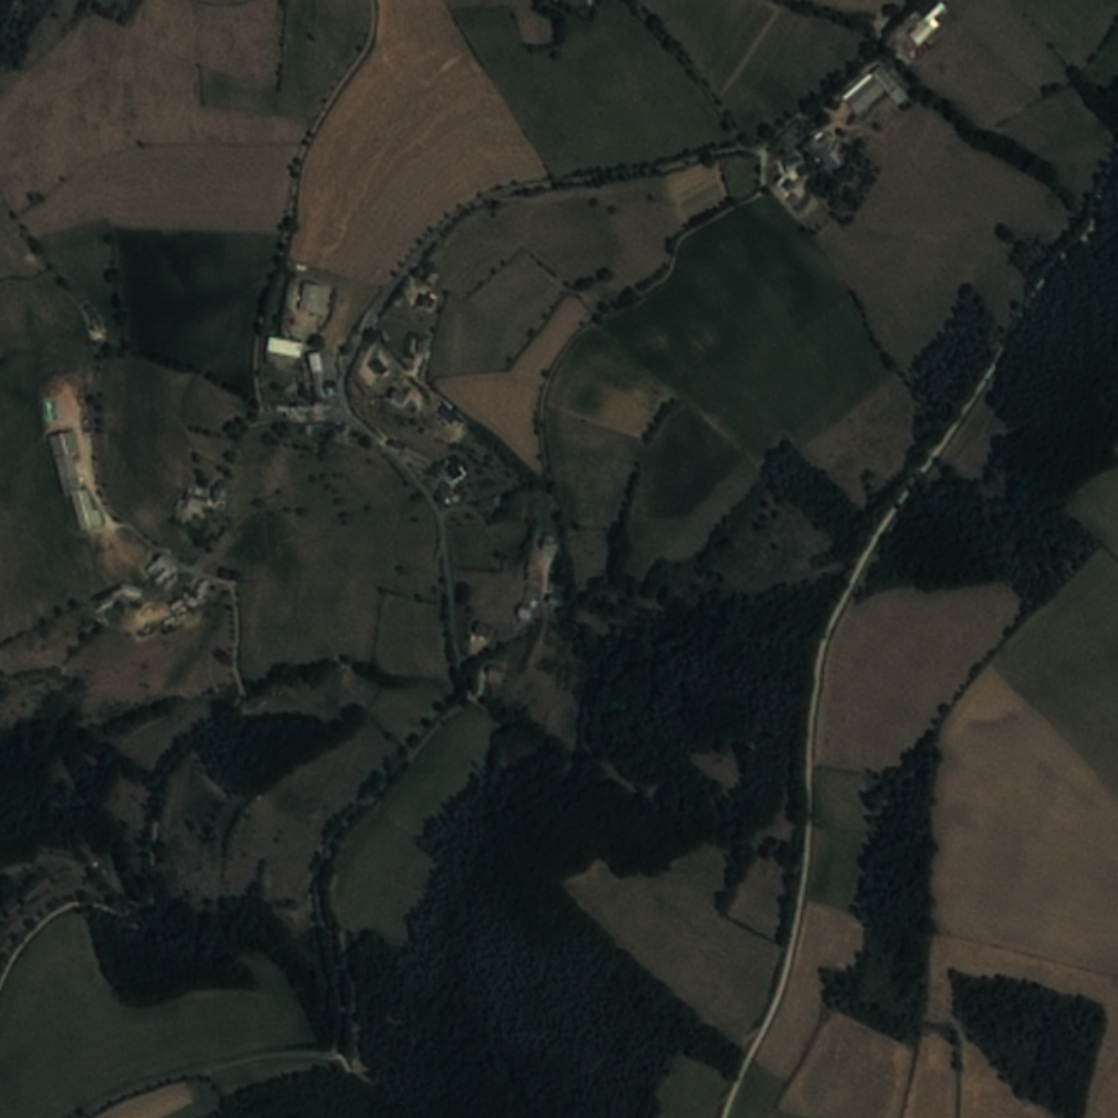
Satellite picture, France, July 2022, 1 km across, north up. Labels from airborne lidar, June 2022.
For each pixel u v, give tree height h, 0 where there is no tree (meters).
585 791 24
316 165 0
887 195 0
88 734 21
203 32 0
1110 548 0
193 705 0
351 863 0
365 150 0
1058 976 0
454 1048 9
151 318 0
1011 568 18
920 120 0
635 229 0
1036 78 0
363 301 0
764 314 0
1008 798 0
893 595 0
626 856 19
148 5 0
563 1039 18
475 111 0
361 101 0
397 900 0
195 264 0
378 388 0
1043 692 0
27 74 0
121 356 10
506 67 0
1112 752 0
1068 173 0
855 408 0
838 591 11
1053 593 13
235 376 0
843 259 0
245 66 0
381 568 0
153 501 0
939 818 0
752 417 0
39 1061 0
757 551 0
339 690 0
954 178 0
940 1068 0
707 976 0
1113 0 0
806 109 14
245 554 0
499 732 10
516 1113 18
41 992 0
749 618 17
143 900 27
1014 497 15
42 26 0
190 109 0
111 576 0
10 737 10
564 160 0
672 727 15
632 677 20
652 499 0
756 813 14
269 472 0
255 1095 11
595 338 0
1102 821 0
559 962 14
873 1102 0
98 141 0
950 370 13
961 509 13
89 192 0
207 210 0
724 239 0
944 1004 0
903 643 0
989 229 0
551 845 24
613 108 0
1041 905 0
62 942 0
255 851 0
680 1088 0
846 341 0
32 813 15
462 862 14
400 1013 13
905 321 0
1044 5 0
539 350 0
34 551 0
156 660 0
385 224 0
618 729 16
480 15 0
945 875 0
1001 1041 7
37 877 7
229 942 17
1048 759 0
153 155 0
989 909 0
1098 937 0
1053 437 11
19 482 0
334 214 0
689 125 0
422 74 0
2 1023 0
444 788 0
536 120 0
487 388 0
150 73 0
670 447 0
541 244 0
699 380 0
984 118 0
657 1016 11
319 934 12
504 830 20
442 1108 20
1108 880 0
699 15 0
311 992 6
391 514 0
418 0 0
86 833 15
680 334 0
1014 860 0
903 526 10
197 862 0
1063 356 12
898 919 13
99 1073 0
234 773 18
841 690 0
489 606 0
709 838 14
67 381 0
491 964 18
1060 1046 16
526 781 21
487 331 0
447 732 0
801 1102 0
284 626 0
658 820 22
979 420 0
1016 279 0
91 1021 0
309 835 0
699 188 0
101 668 0
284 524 0
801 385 0
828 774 0
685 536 0
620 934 0
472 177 0
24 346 0
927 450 6
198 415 0
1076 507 0
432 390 9
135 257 0
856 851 0
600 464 0
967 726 0
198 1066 0
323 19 0
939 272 0
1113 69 0
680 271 0
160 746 0
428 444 0
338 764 0
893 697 0
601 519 0
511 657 0
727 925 0
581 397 0
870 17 0
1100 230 12
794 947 0
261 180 0
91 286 0
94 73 0
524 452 0
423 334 0
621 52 0
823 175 6
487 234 0
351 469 0
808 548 0
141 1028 0
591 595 7
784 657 19
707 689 21
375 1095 17
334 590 0
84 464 0
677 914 0
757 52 0
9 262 0
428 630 0
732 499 0
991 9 0
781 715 18
